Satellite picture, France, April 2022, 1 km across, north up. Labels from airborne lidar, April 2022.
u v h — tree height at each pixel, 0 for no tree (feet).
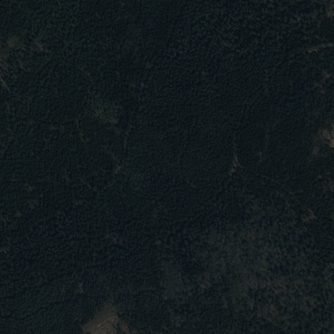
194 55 71
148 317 72
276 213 60
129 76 72
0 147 35
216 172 60
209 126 80
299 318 88
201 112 81
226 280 83
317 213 45
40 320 73
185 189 76
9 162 61
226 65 79
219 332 51
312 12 41
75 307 74
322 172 27
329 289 60
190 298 71
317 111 58
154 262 84
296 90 27
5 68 52
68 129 43
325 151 54
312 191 50
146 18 77
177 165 78
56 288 84
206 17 95
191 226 25
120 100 75
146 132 71
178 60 62
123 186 83
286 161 50
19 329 90
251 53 34
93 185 27
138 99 38
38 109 44
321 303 98
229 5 63
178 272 67
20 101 82
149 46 65
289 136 57
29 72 98
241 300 79
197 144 87
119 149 37
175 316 63
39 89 56
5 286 83
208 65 75
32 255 111
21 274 80
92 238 90
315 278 52
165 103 73
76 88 60
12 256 23
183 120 91
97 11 51
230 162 84
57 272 79
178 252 38
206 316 64
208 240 81
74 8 66
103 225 86
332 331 84
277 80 55
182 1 80
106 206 82
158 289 66
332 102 51
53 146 66
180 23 76
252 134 62
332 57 45
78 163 21
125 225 51
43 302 76
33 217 46
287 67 60
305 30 79
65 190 34
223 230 61
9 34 88
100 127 47
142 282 70
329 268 78
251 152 57
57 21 75
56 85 25
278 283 70
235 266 74
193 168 58
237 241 75
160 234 92
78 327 53
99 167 49
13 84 100
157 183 84
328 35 38
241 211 61
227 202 52
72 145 77
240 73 80
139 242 75
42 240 82
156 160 74
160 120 90
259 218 82
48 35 72
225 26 106
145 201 68
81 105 51
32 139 44
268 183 48
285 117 53
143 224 81
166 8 83
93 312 69
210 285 65
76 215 88
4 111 31
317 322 95
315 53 29
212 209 88
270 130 55
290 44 73
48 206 44
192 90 93
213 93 91
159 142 78
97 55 58
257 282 72
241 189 62
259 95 51
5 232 68
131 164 72
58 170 35
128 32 82
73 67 50
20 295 55
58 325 55
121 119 28
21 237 64
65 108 58
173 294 88
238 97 79
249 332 58
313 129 81
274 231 57
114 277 62
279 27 87
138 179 47
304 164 34
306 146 55
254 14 85
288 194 41
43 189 50
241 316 65
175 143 81
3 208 32
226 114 70
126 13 49
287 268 57
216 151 83
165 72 97
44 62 96
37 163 46
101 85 64
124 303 78
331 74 54
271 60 70
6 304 87
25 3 103
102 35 66
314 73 47
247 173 43
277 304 56
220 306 67
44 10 75
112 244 94
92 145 51
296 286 73
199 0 89
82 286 78
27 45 42
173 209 81
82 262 88
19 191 45
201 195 87
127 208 91
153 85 61
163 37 73
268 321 43
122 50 72
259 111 59
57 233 36
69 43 89
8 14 89
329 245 67
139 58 78
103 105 25
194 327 55
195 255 63
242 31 28
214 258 74
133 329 60
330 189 34
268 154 51
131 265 72
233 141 77
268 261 42
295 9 45
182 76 83
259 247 55
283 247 44
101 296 71
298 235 74
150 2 66
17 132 36
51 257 77
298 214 45
